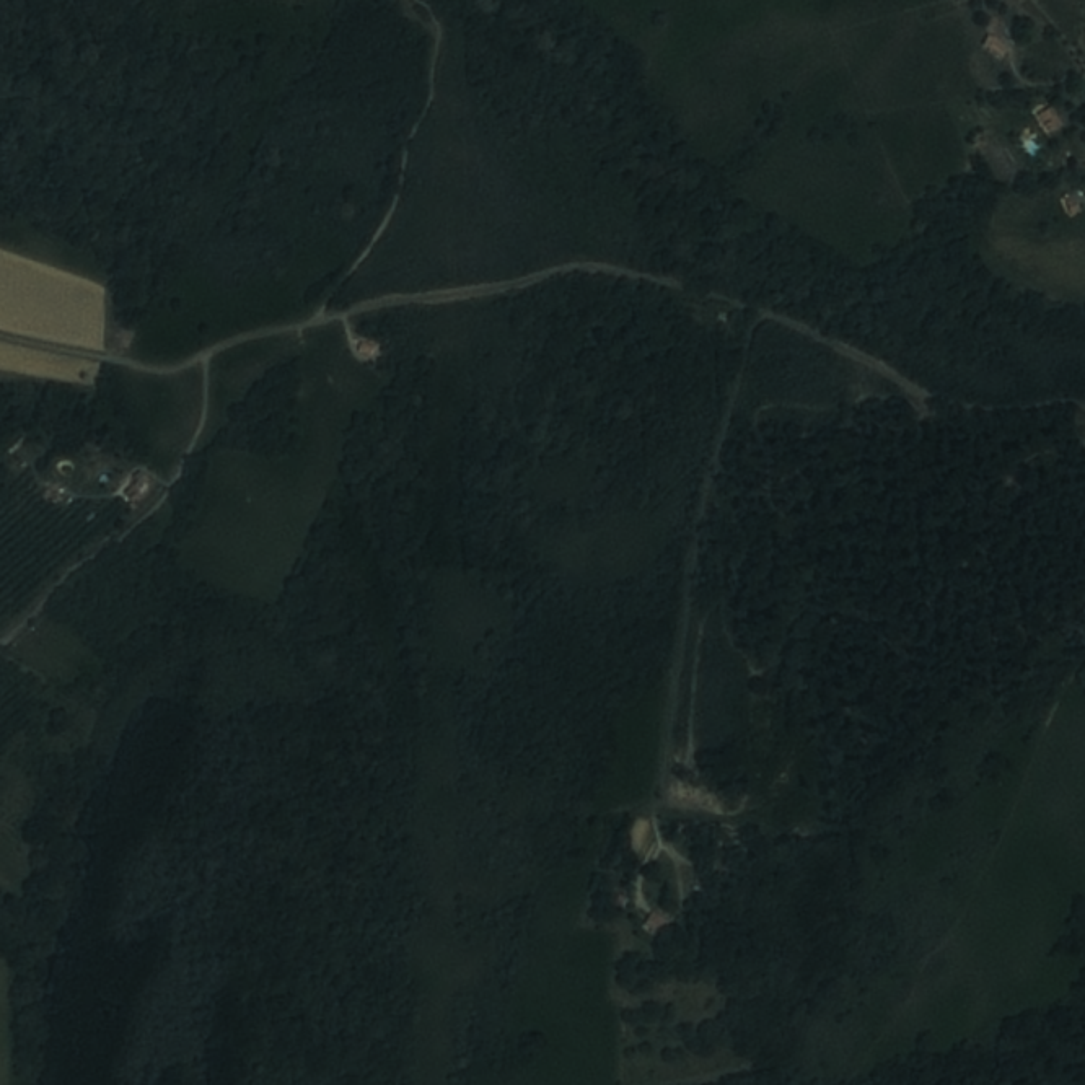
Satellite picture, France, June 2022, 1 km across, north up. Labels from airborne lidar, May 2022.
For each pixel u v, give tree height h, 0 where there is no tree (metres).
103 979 26
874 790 16
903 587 28
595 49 21
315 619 17
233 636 10
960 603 31
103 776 8
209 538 0
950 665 25
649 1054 11
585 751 11
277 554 0
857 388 0
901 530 31
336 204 7
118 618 9
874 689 27
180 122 17
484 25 16
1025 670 16
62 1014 30
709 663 6
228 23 0
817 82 0
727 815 0
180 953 22
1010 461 28
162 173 18
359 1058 11
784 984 26
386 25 9
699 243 8
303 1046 18
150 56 17
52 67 17
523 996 0
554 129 6
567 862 10
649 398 18
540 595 9
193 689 13
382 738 20
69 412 8
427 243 0
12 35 13
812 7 0
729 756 22
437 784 0
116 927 26
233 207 8
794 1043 12
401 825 11
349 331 0
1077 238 0
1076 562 22
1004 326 7
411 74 8
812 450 21
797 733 9
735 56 0
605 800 0
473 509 19
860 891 10
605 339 23
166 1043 22
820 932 17
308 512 0
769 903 22
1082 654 20
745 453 20
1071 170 12
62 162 24
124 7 12
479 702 6
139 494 0
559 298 10
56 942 7
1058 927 0
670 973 14
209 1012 23
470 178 0
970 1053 12
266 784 7
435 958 0
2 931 21
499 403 7
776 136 10
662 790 6
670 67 0
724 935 23
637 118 20
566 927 0
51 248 0
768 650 25
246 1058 17
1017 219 0
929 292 19
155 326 0
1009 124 0
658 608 10
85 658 0
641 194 9
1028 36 11
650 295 18
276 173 10
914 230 8
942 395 12
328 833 20
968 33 0
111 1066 24
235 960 15
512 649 10
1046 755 0
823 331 10
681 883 0
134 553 6
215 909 14
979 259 13
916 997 0
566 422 18
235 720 11
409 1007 7
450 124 0
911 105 0
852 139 7
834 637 27
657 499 7
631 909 7
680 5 0
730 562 20
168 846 13
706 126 0
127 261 20
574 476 0
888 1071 9
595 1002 0
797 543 9
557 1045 0
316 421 0
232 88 8
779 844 20
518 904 7
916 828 7
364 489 22
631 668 15
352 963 12
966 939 0
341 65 9
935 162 0
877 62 0
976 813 0
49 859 16
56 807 18
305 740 13
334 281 10
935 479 26
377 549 11
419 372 11
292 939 12
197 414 0
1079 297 0
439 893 0
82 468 0
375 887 11
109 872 24
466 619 0
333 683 12
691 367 15
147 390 0
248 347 0
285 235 6
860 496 29
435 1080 0
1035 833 0
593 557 0
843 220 0
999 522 25
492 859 6
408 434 22
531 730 13
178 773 22
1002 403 10
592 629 11
